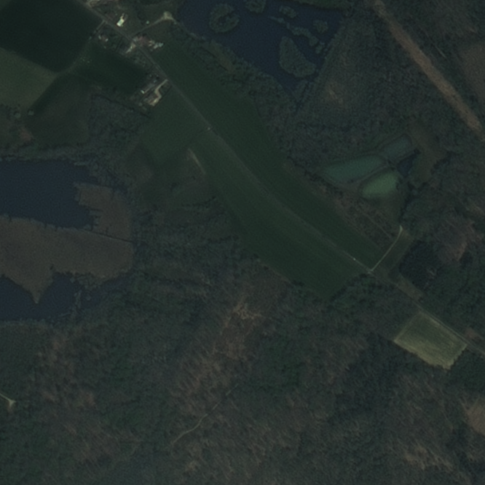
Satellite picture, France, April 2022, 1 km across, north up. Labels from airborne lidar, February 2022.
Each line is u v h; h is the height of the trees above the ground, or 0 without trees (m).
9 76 0
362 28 14
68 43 0
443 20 19
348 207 0
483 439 15
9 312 0
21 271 0
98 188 0
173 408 27
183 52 0
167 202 0
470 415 0
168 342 17
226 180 0
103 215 0
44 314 0
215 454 24
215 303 27
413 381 28
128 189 13
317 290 0
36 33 0
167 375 23
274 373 30
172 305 19
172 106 0
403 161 0
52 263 0
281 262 0
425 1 17
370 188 0
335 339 28
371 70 15
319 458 24
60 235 0
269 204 0
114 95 12
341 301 22
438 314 10
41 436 25
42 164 0
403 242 0
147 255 23
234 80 8
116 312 22
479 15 27
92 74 0
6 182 0
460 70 19
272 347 24
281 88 11
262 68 0
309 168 19
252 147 0
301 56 8
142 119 9
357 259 0
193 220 0
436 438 21
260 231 0
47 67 0
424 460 24
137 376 23
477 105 22
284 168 0
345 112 8
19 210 0
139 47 0
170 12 0
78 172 0
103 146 21
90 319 20
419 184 22
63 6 0
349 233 0
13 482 26
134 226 12
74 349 0
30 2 0
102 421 28
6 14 0
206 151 0
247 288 6
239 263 29
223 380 26
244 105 0
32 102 0
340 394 19
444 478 21
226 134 0
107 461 21
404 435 25
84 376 24
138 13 11
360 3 16
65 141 0
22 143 0
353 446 16
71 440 28
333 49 15
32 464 25
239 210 0
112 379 21
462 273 18
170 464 23
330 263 0
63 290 0
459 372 15
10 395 7
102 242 0
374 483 20
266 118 17
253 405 29
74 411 28
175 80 0
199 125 0
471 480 17
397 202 0
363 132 23
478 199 29
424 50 22
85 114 0
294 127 16
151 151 0
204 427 0
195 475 18
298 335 26
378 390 18
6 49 0
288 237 0
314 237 0
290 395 28
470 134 24
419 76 24
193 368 26
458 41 13
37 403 20
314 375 15
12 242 0
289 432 24
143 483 19
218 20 14
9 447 25
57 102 0
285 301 24
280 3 0
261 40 0
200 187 0
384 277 0
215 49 0
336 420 24
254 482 14
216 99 0
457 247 29
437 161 0
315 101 11
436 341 0
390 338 23
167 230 20
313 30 0
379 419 18
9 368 14
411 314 26
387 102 24
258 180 0
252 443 17
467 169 30
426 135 0
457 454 17
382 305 27
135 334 25
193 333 25
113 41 7
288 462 21
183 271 0
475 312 26
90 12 0
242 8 0
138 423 23
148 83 0
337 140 24
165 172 0
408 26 21
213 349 27
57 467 22
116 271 0
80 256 0
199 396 0
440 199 15
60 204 0
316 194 0
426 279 17
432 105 26
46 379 30
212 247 19
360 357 26
